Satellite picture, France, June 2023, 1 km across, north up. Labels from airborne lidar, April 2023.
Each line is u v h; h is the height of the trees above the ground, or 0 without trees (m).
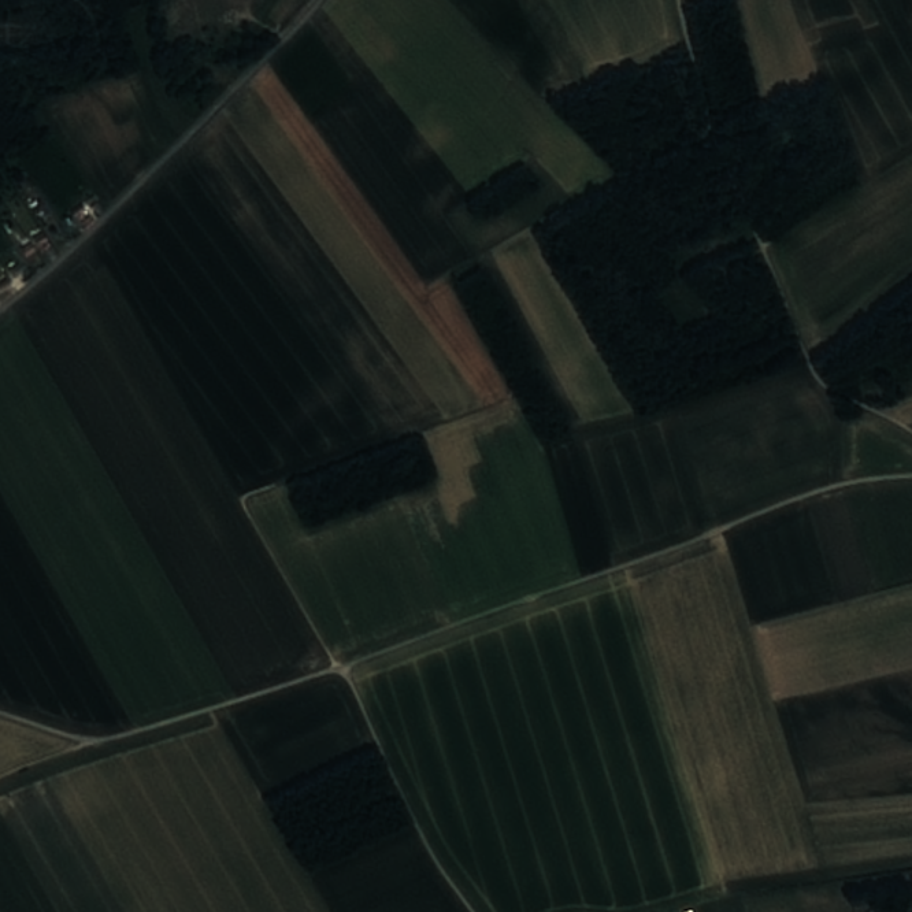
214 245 0
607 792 0
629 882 0
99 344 0
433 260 0
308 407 0
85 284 0
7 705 0
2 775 0
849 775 0
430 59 0
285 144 0
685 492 0
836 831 0
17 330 0
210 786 0
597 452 0
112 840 0
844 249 0
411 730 0
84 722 0
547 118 0
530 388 12
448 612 0
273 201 0
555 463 0
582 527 0
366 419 0
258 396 0
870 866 0
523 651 0
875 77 0
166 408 0
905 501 0
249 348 0
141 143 0
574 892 0
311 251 0
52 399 0
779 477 0
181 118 0
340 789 19
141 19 0
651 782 0
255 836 0
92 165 0
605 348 12
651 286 22
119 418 0
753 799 0
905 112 0
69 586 0
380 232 0
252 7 0
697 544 0
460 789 0
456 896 0
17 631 0
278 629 0
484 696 0
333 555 0
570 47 0
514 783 0
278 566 0
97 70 6
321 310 0
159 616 0
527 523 0
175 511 0
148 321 0
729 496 0
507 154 0
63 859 0
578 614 0
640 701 0
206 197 0
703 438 0
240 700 0
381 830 19
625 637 0
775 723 0
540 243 11
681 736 0
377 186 0
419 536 0
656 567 0
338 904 0
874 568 0
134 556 0
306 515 11
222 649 0
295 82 0
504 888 0
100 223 0
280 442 0
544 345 0
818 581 0
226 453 0
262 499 0
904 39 0
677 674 0
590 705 0
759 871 0
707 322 9
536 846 0
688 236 22
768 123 24
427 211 0
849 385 9
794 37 0
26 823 0
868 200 0
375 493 13
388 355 0
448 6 0
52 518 0
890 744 0
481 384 0
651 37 0
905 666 0
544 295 0
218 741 0
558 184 0
